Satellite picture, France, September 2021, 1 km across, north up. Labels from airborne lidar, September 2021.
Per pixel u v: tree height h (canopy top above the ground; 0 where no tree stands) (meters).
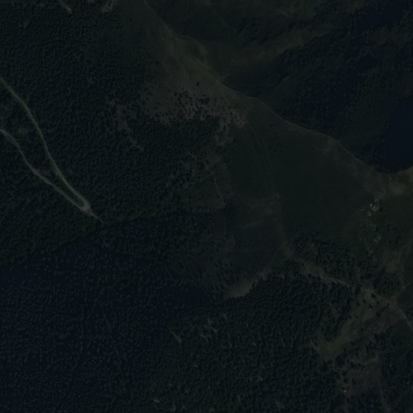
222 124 0
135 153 13
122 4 0
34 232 11
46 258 15
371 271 11
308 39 0
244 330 22
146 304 13
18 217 27
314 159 0
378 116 0
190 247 0
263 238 0
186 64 0
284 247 0
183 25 0
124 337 30
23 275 15
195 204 0
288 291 20
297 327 23
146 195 18
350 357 0
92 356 21
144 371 24
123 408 19
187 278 0
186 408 17
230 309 16
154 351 21
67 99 11
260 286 10
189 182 20
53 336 28
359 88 6
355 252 0
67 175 9
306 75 0
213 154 0
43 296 33
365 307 0
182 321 17
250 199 0
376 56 8
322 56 6
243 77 0
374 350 17
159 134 8
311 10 0
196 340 19
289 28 0
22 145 7
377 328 0
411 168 0
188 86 0
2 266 13
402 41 0
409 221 0
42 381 26
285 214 0
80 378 25
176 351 21
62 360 25
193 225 11
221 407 8
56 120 17
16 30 14
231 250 0
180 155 12
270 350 25
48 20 13
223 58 0
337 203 0
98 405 24
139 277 6
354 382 7
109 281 11
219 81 0
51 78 13
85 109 15
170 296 8
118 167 7
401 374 9
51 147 15
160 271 8
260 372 23
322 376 10
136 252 29
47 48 13
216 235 0
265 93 0
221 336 20
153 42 0
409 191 0
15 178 15
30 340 25
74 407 22
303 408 14
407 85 0
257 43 0
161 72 0
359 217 0
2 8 11
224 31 0
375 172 0
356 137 0
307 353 21
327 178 0
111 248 16
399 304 0
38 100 21
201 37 0
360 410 9
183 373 24
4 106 32
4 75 13
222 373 20
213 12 0
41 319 26
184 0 0
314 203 0
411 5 6
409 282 0
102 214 16
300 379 22
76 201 11
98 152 23
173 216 7
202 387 21
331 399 13
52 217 11
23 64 24
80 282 25
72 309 20
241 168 0
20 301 32
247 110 0
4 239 17
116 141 13
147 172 14
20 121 29
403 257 0
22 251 18
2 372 15
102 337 29
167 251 11
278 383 27
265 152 0
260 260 0
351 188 0
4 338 23
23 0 10
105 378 27
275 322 24
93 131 22
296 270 13
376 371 0
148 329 15
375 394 0
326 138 0
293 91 0
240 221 0
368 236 0
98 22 7
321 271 0
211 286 0
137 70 6
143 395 18
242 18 0
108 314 6
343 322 20
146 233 9
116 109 10
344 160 0
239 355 22
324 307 18
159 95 0
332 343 0
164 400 20
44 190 15
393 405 10
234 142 6
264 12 0
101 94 16
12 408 30
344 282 0
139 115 11
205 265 0
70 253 11
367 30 10
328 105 0
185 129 7
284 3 0
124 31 0
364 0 0
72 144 23
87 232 16
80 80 13
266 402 24
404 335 0
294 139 0
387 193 0
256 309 25
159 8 0
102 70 7
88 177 17
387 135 0
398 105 0
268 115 0
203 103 11
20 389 27
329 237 0
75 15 7
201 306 18
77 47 9
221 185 0
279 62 0
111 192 17
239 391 21
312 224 0
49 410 25
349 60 6
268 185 0
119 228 13
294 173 0
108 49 7
